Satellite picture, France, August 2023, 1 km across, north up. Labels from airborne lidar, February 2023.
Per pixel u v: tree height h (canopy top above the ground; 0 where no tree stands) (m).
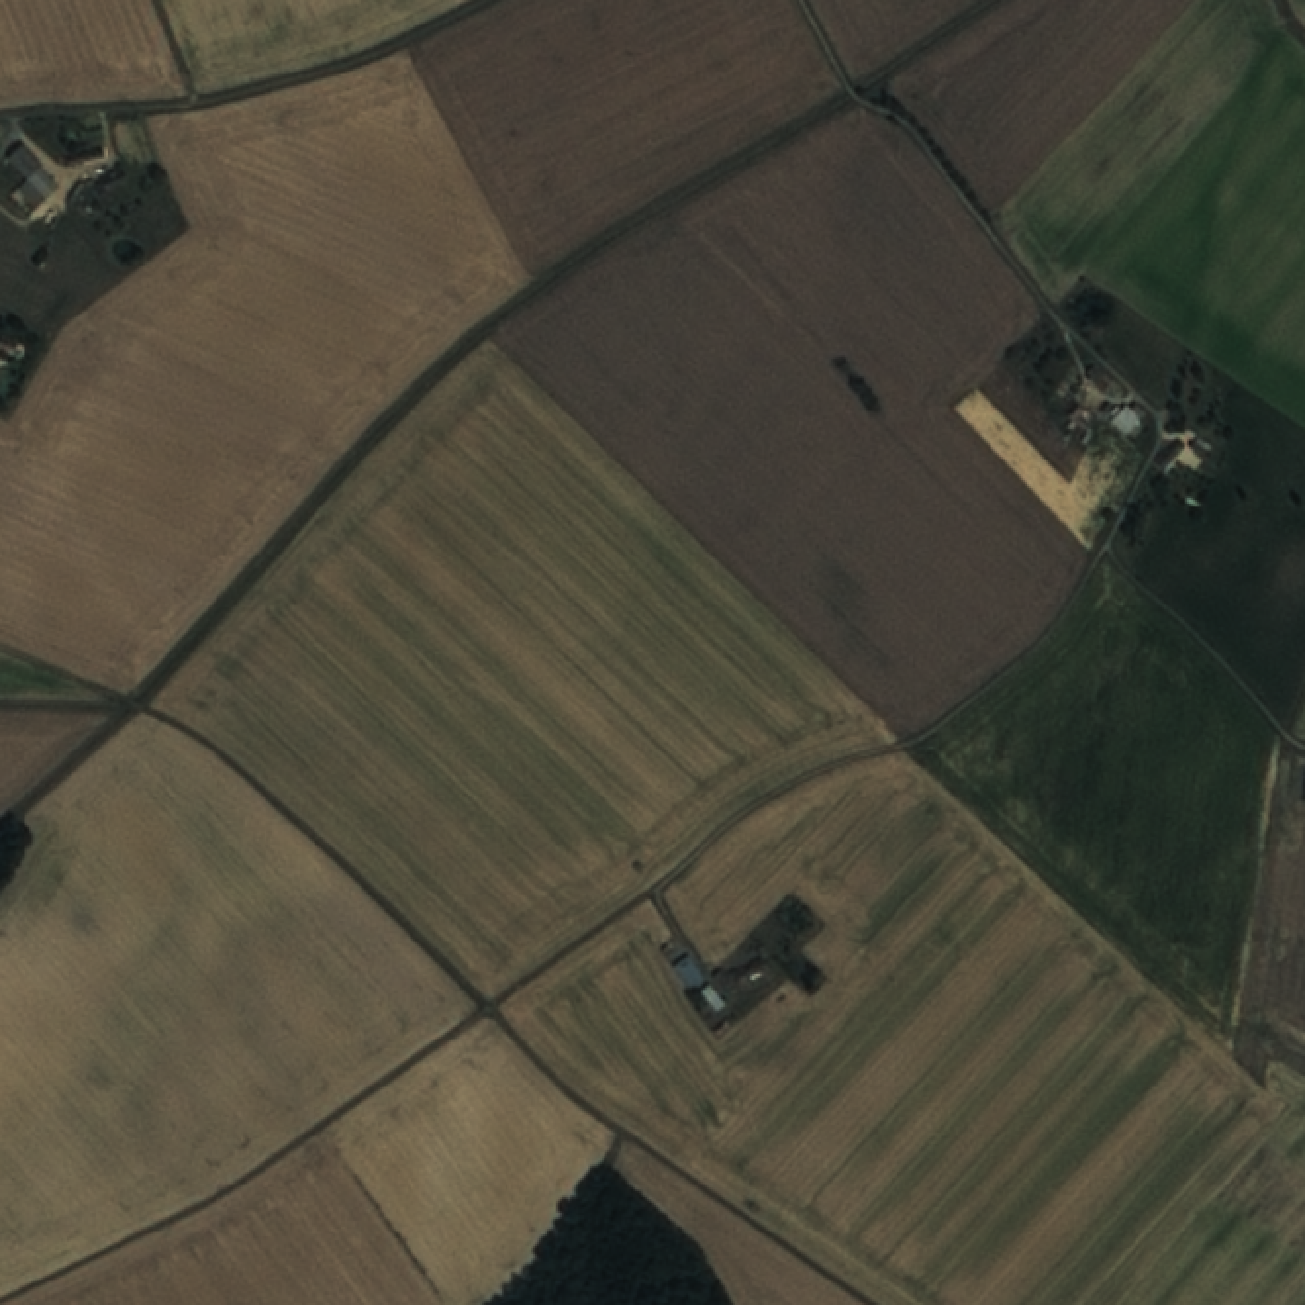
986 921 0
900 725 0
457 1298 0
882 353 0
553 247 0
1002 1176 0
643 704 0
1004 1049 0
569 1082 0
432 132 0
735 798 0
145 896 0
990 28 0
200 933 0
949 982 0
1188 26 0
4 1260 0
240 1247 0
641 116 0
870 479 0
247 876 0
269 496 0
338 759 0
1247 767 0
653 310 0
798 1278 0
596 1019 0
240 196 0
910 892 0
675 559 0
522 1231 0
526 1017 0
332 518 0
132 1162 0
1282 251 0
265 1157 0
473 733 0
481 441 0
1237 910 0
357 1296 0
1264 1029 0
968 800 0
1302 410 0
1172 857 0
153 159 0
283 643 0
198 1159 0
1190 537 0
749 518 0
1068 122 0
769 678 0
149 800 0
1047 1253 0
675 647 0
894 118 7
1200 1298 0
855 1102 0
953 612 0
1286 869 0
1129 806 0
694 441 0
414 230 0
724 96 0
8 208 0
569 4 0
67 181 0
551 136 0
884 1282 0
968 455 0
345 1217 0
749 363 0
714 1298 10
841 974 0
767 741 0
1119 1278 0
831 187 0
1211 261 0
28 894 0
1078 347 0
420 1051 0
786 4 0
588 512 0
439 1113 0
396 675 0
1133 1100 0
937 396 0
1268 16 0
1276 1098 0
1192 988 0
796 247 0
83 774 0
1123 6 0
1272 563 0
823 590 0
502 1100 0
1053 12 0
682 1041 0
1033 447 0
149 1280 0
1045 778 0
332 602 0
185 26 0
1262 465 0
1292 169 0
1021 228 0
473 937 0
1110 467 0
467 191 0
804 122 0
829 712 0
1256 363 0
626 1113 0
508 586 0
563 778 0
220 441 0
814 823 0
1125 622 0
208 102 0
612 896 0
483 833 0
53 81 0
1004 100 0
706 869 0
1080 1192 0
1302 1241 0
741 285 0
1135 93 0
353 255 0
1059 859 0
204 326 0
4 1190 0
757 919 0
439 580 0
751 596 0
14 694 0
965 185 10
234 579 0
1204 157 0
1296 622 0
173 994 0
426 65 0
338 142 0
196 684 0
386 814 0
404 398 0
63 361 0
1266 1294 0
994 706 0
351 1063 0
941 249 0
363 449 0
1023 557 0
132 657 0
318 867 0
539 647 0
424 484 0
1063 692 0
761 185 0
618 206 0
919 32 0
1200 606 0
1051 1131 0
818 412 0
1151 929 0
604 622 0
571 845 0
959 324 0
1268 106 0
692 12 0
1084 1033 0
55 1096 0
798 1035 0
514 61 0
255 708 0
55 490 0
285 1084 0
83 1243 0
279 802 0
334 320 0
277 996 0
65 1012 0
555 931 0
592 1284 18
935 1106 0
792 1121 0
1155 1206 0
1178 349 0
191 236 0
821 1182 0
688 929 0
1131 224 0
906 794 0
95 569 0
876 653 0
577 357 0
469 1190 0
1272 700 0
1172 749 0
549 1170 0
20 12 0
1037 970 0
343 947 0
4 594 0
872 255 0
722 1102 0
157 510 0
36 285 0
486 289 0
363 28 0
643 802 0
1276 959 0
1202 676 0
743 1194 0
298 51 0
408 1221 0
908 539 0
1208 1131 0
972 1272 0
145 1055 0
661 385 0
